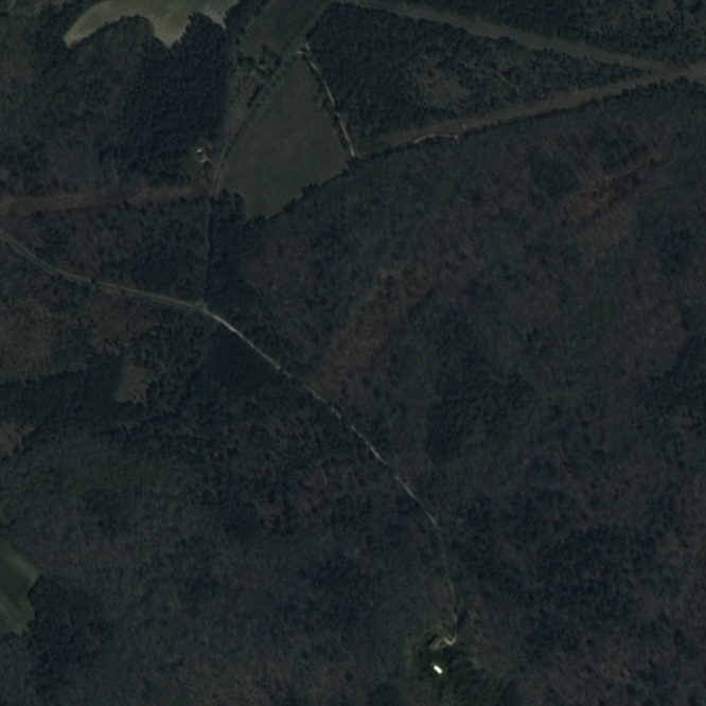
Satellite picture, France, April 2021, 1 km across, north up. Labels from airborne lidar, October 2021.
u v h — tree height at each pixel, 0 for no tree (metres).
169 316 14
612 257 23
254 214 0
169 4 0
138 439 20
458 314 13
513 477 17
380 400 22
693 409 17
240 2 0
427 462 12
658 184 22
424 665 6
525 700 18
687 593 15
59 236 17
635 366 12
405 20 9
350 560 15
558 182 22
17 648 19
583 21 12
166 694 12
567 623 20
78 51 20
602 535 16
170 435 11
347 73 15
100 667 16
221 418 17
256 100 7
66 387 19
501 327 18
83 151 16
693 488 16
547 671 22
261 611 15
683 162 20
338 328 9
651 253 19
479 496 16
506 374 18
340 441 20
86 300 10
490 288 10
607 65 7
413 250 20
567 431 10
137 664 12
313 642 15
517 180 16
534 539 17
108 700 18
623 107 22
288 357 10
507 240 16
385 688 19
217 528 16
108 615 18
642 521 12
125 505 18
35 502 20
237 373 14
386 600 20
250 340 17
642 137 19
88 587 15
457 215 15
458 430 20
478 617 22
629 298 18
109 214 12
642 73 10
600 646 13
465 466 15
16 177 14
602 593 21
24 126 20
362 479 12
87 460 23
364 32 14
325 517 12
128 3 0
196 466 19
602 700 8
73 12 14
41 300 6
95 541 21
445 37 17
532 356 19
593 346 20
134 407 17
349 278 16
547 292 14
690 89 20
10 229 14
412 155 21
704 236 22
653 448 13
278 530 10
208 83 17
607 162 17
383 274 18
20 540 21
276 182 0
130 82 19
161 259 21
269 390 13
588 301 18
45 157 18
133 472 22
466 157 22
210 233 15
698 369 17
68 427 18
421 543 17
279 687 13
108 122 16
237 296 23
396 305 22
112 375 18
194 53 12
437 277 14
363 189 17
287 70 8
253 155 0
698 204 16
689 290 12
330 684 14
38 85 15
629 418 11
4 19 18
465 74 7
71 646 14
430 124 16
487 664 22
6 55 18
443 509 17
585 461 10
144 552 20
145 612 22
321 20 7
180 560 17
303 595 17
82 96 15
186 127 14
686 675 12
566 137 20
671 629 28
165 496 14
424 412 13
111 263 8
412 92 17
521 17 12
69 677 17
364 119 15
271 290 13
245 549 17
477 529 25
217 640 13
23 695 22
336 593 24
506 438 17
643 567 27
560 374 21
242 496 18
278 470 9
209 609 18
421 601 20
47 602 17
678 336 14
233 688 18
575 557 15
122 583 19
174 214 12
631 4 6
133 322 6
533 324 12
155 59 23
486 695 14
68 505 18
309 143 0
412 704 16
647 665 7
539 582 15
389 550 12
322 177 0
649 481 11
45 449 12
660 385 17
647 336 12
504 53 18
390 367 15
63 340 6
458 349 20
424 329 18
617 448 13
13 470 16
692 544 17
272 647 17
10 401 20
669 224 17
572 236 16
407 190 19
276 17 0
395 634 21
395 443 10
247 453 17
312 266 11
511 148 19
